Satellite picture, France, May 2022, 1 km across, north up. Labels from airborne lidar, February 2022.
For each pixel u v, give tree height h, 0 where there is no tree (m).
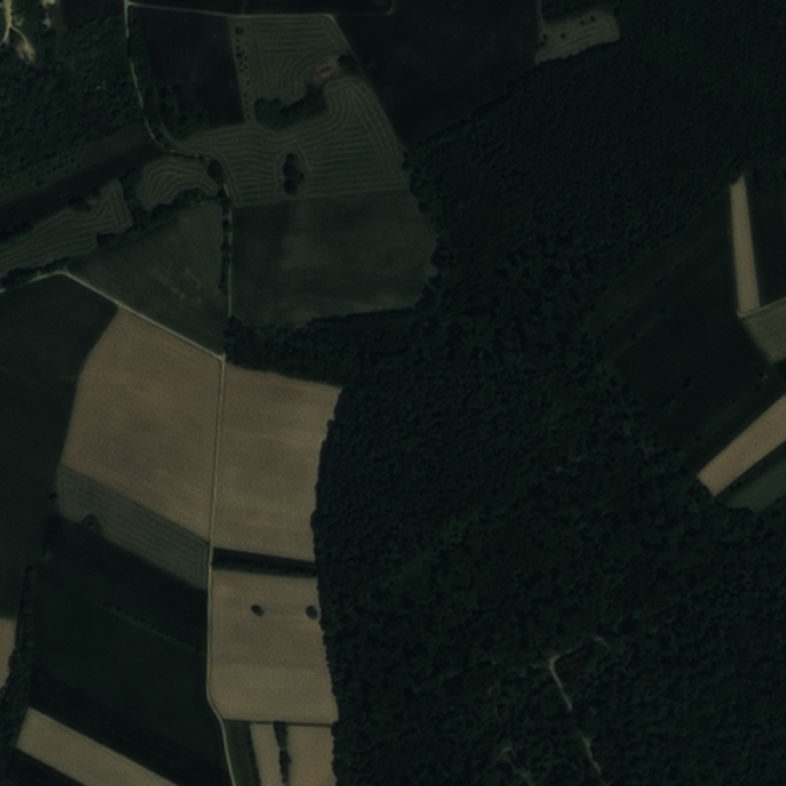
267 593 0
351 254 0
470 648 16
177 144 0
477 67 0
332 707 0
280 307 0
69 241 0
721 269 0
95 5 0
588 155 18
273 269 0
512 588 12
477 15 0
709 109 14
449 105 0
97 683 0
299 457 0
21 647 6
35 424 0
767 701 26
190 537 0
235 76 0
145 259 0
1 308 0
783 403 0
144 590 0
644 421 20
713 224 0
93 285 0
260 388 0
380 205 0
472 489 26
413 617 5
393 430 25
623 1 13
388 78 0
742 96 13
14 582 0
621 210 23
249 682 0
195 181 0
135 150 0
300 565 0
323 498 19
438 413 24
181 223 0
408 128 0
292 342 19
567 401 0
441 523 26
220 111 0
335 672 18
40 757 0
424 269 0
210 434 0
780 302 0
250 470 0
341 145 0
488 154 11
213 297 0
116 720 0
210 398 0
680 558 31
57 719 0
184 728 0
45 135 12
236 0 0
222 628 0
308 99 7
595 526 30
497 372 22
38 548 0
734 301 0
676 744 27
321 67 0
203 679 0
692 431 0
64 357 0
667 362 0
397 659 29
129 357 0
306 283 0
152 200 0
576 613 27
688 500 30
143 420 0
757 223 0
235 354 13
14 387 0
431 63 0
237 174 0
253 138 0
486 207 13
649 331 0
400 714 10
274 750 0
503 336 30
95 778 0
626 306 0
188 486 0
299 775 0
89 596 0
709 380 0
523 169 17
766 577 25
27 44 0
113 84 7
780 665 29
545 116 17
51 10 0
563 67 18
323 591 15
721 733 22
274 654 0
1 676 0
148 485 0
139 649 0
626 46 9
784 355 0
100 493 0
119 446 0
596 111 15
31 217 0
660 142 14
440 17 0
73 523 0
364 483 24
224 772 0
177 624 0
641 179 20
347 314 0
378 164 0
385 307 0
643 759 27
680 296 0
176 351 0
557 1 20
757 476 0
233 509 0
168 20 0
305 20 0
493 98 0
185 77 0
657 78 17
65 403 0
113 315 0
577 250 27
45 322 0
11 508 0
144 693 0
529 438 24
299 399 0
